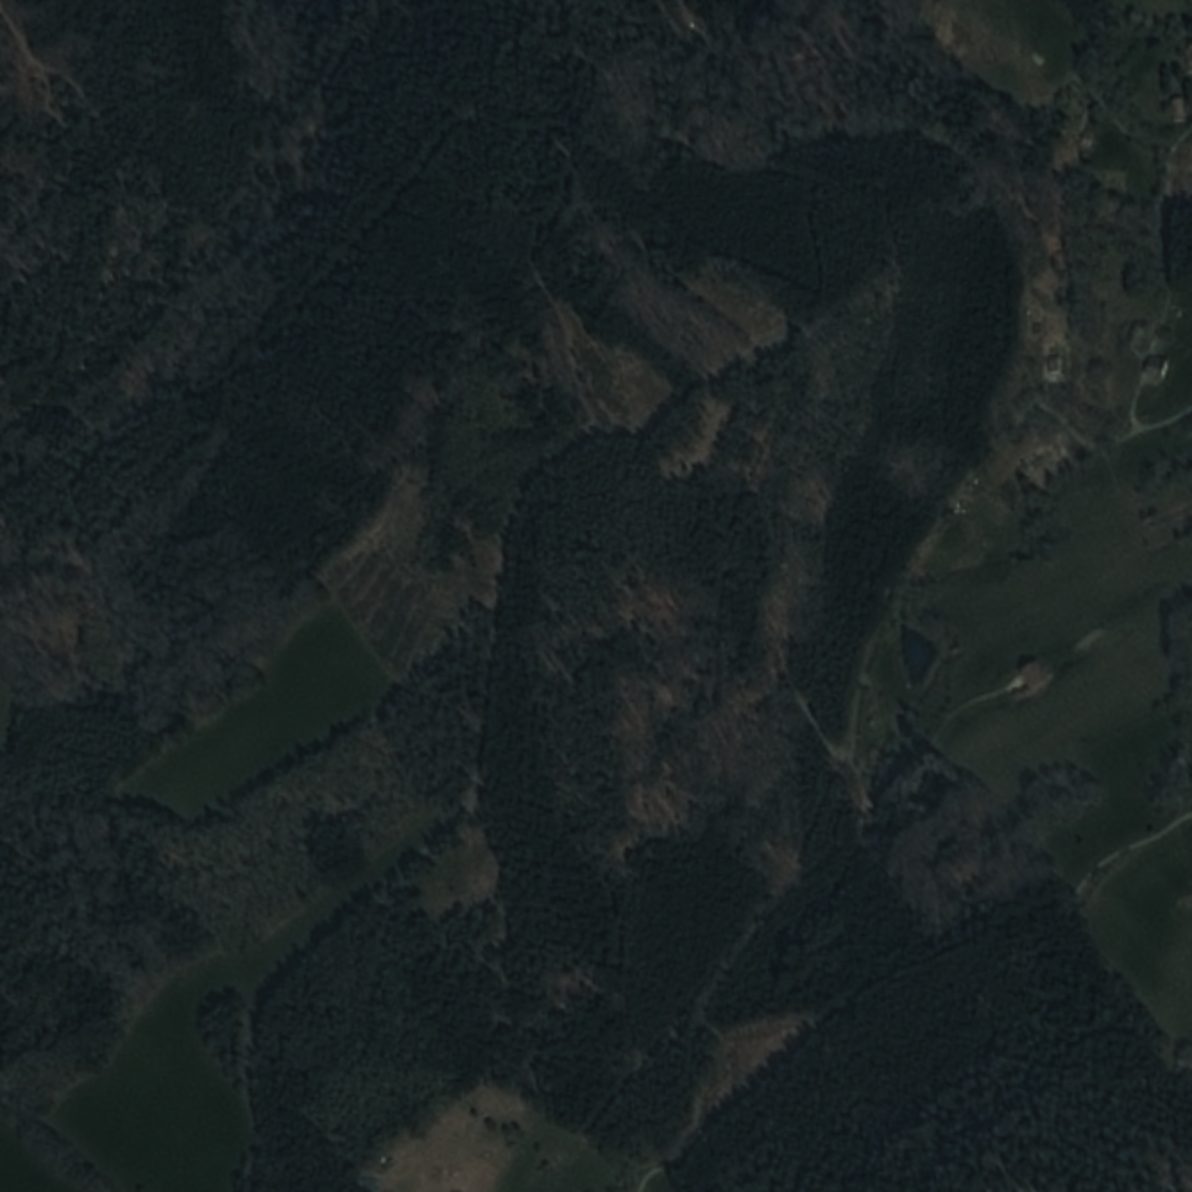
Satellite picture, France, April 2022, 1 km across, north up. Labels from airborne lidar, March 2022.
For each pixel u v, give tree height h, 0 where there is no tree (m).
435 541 10
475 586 0
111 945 25
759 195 20
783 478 23
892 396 14
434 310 14
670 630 20
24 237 16
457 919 9
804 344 26
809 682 30
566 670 24
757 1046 0
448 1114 15
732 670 30
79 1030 15
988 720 0
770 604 26
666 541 22
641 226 29
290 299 22
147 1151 0
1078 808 19
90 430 25
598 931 20
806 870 19
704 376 22
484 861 0
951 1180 29
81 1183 19
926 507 28
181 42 20
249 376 20
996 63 0
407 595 0
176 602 28
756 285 25
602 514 26
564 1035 17
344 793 17
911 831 26
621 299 18
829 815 28
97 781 20
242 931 19
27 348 11
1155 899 0
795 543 21
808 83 36
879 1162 23
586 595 29
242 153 25
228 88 19
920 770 28
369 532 16
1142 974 0
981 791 20
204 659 28
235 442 14
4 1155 0
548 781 15
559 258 17
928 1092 18
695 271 31
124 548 26
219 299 26
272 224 29
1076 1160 25
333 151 15
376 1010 18
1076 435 16
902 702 0
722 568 27
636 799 25
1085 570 0
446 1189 0
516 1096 17
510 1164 0
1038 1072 14
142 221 28
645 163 21
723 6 12
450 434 12
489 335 15
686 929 21
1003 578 0
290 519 17
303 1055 17
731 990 17
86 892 22
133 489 29
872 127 29
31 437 18
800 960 39
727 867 22
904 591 19
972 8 0
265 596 25
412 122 19
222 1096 0
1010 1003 18
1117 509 0
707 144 29
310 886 17
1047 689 0
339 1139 19
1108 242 26
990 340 25
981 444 29
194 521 19
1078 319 19
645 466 27
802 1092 20
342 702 0
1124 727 0
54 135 15
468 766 19
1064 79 0
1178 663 22
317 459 18
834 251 20
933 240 15
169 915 26
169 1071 0
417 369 17
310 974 23
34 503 30
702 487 21
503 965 25
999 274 28
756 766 30
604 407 16
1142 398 0
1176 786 20
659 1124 29
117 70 21
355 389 16
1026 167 19
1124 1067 20
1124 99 16
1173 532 0
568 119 14
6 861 8
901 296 13
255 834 22
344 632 0
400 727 19
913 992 23
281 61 27
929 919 21
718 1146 20
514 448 10
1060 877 28
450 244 13
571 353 23
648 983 16
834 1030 24
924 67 27
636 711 24
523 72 23
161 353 30
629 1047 19
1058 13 0
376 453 14
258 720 0
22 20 15
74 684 31
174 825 19
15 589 7
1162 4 0
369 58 19
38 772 22
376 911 21
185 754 0
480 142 16
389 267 15
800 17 36
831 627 24
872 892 14
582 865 20
